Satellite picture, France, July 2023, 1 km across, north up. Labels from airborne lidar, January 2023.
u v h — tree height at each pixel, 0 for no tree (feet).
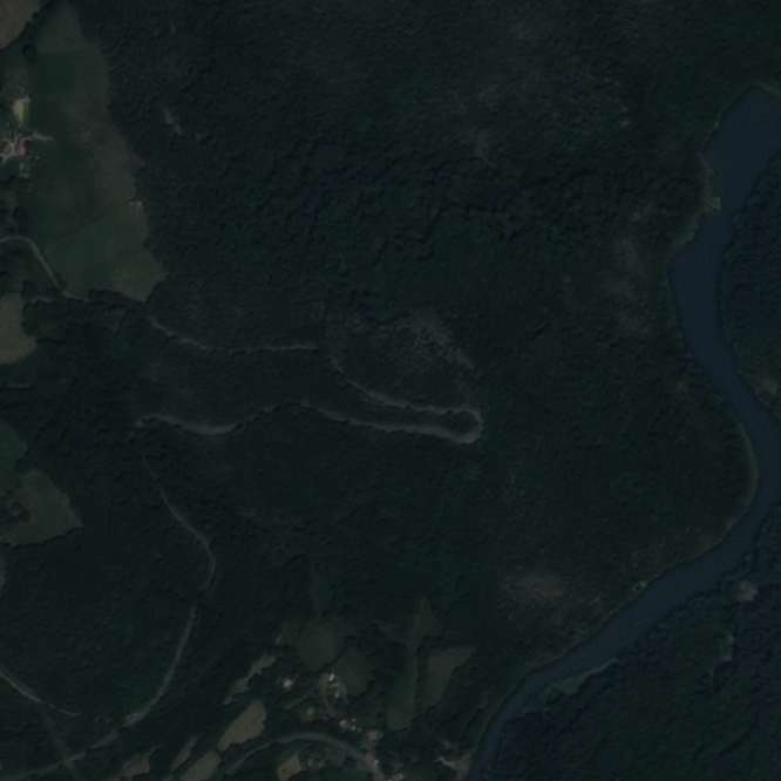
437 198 68
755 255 62
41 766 49
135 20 41
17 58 0
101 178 0
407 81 36
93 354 49
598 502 68
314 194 61
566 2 45
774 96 0
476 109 31
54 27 0
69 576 47
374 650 64
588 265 52
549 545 70
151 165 33
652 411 67
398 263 79
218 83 79
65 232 0
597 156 78
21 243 0
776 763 57
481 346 53
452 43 42
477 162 70
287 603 33
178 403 32
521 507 49
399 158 28
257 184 77
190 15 49
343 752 0
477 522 49
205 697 71
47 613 52
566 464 55
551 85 33
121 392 56
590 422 67
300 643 0
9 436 0
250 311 26
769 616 61
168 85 54
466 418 33
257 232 59
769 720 65
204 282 27
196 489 99
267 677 57
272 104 75
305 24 40
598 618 37
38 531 0
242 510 83
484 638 59
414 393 45
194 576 61
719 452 68
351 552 71
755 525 0
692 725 71
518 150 52
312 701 33
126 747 43
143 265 0
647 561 41
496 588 34
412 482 56
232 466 56
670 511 42
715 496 70
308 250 62
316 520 65
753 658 64
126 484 73
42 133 0
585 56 80
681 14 67
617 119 60
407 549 45
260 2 32
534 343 87
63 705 37
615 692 85
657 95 65
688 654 77
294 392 71
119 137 0
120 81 42
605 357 71
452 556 61
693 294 0
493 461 51
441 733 58
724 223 0
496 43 41
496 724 0
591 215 80
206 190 52
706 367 0
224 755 38
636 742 76
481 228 86
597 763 63
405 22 35
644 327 22
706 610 82
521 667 71
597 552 76
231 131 53
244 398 54
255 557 60
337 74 30
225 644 79
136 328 58
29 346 0
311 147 99
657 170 69
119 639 52
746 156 0
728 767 63
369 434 63
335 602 45
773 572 36
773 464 0
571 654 0
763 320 77
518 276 53
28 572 51
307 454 57
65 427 82
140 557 83
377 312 59
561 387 68
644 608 0
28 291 47
